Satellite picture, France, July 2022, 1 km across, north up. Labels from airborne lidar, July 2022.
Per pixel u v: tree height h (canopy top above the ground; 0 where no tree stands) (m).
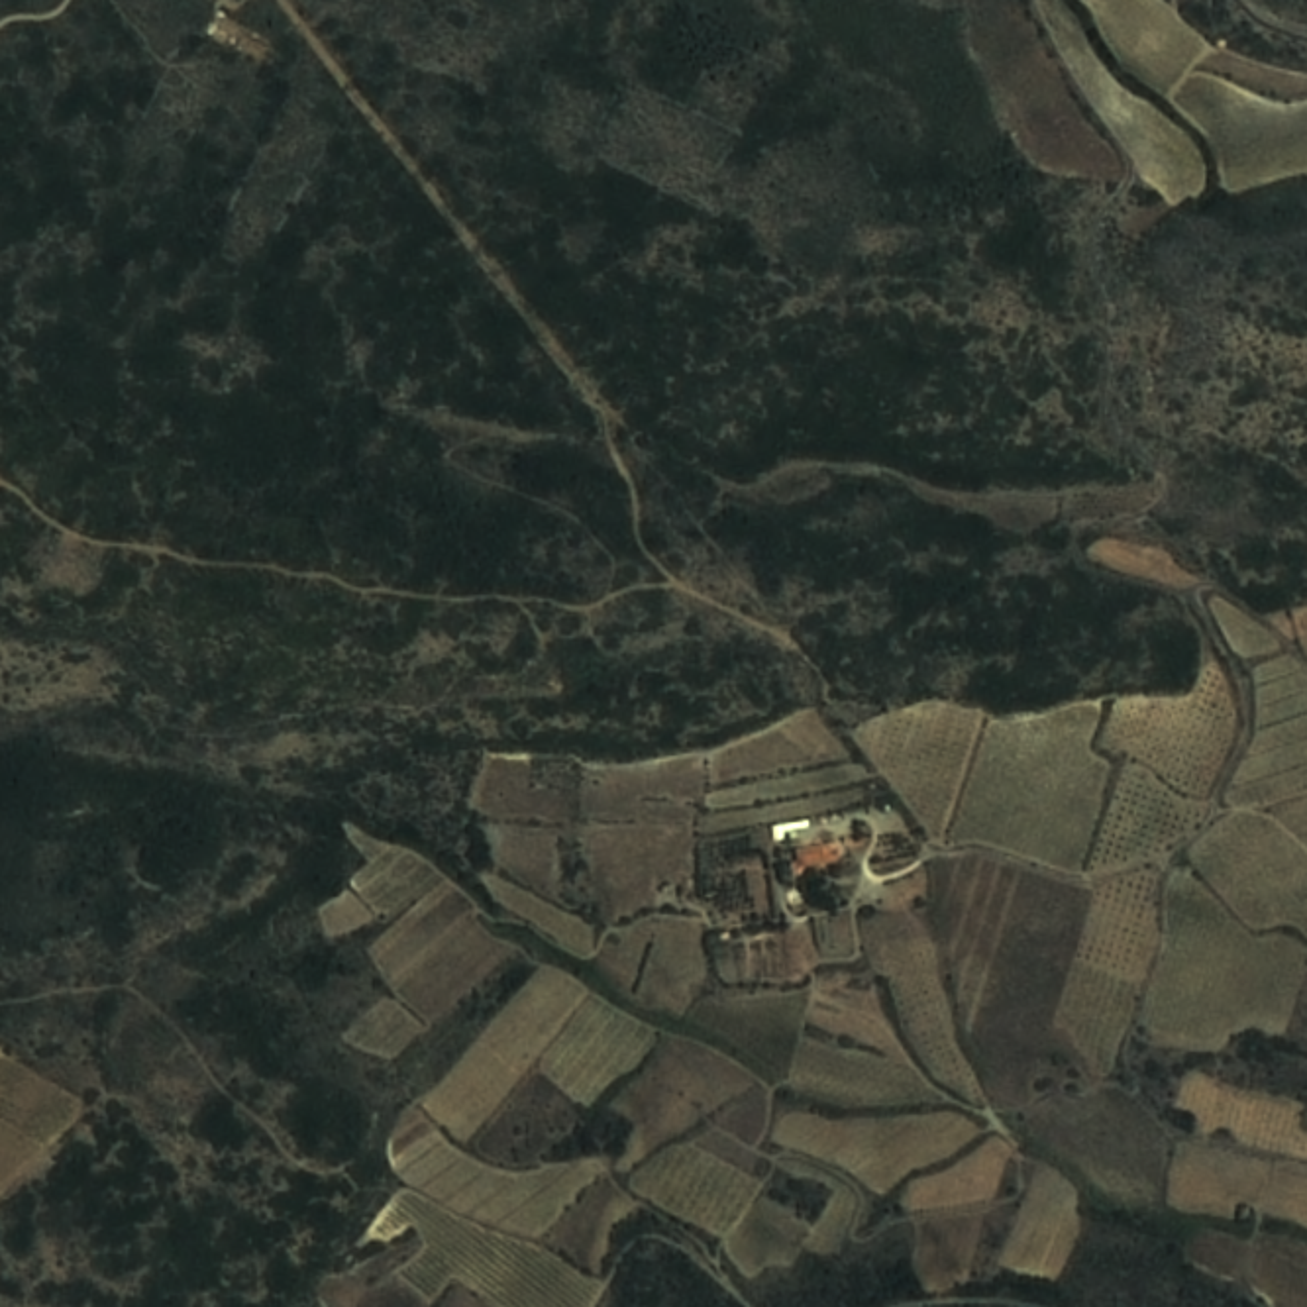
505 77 0
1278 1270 0
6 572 0
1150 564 0
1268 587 0
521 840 0
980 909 0
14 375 0
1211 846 0
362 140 0
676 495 7
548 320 0
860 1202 0
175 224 0
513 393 0
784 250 0
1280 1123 0
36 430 0
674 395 0
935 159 0
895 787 0
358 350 0
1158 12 0
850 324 0
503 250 0
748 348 0
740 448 0
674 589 0
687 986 0
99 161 0
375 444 0
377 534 0
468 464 0
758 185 0
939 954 0
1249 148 0
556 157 0
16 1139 0
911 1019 0
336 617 0
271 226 0
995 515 0
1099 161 0
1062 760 0
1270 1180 0
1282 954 0
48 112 0
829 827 0
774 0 0
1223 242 0
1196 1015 0
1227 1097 0
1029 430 0
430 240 0
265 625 0
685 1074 0
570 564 0
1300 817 0
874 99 0
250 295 0
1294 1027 0
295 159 0
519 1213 0
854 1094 0
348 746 0
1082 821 0
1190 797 0
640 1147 0
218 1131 0
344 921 0
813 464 0
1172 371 0
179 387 0
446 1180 0
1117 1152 0
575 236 0
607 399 0
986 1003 0
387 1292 0
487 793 0
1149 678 0
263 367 0
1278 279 0
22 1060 0
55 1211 0
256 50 0
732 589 0
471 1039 0
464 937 0
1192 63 0
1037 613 0
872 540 0
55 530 0
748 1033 0
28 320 0
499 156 0
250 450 0
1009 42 0
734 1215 0
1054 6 0
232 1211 0
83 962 0
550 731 0
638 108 0
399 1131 0
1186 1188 0
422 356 0
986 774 0
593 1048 0
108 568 0
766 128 0
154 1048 0
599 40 0
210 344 0
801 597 0
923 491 0
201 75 0
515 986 6
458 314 0
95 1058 0
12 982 0
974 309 0
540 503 0
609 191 0
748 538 0
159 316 0
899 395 0
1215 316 0
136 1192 0
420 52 0
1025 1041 0
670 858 0
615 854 0
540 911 0
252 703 0
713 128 0
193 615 0
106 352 0
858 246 0
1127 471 0
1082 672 0
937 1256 0
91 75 0
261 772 0
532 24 0
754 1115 0
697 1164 0
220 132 0
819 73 0
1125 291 0
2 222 0
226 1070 0
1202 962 0
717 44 7
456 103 0
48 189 0
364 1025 0
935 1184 0
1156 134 0
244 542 0
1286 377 0
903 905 0
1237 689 0
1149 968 0
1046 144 0
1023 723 0
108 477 0
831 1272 6
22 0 0
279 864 0
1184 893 0
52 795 0
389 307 0
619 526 0
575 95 0
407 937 0
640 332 0
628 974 0
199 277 0
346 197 0
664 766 0
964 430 0
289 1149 0
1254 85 0
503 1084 0
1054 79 0
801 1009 0
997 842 0
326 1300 0
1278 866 0
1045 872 0
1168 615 0
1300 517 0
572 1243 0
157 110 0
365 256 0
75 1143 0
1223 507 0
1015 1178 0
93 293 0
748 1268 0
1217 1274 0
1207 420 0
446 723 0
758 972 0
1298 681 0
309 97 0
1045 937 0
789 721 0
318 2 0
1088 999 0
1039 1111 0
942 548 0
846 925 0
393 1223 0
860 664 0
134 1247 0
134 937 0
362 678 0
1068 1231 0
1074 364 0
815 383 0
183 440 0
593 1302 0
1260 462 0
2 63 0
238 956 0
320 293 0
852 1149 0
